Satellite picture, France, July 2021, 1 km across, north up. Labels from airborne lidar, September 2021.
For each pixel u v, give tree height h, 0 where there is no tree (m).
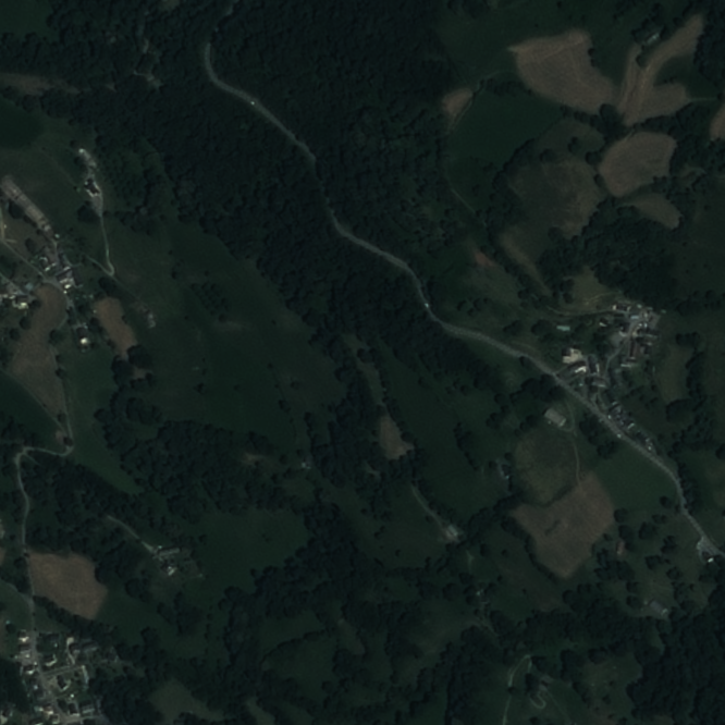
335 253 14
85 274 0
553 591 0
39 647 7
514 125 0
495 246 14
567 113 12
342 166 18
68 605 0
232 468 18
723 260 0
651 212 0
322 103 10
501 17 0
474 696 13
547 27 0
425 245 21
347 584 22
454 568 18
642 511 0
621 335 0
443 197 23
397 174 26
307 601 25
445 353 16
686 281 0
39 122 0
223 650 0
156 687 16
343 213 8
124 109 19
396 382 0
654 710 20
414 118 15
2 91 8
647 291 18
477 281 0
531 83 0
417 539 0
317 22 18
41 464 10
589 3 0
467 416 0
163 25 14
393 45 17
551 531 0
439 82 14
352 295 23
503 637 9
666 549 12
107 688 15
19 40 14
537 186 0
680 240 24
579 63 0
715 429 23
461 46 0
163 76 9
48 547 25
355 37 24
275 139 15
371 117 23
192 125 16
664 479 0
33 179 0
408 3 17
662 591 0
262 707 16
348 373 25
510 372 0
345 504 0
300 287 18
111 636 16
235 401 0
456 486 0
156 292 0
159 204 19
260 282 0
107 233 0
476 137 0
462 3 18
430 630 0
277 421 0
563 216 0
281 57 14
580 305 0
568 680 20
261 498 19
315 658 0
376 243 15
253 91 8
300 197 22
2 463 13
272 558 0
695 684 19
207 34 21
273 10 15
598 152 10
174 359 0
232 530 0
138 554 18
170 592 0
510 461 12
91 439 0
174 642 0
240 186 17
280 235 20
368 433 18
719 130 0
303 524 0
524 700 0
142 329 0
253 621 23
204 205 26
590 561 0
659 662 11
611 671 0
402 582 0
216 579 0
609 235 13
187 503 24
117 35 14
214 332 0
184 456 21
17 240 0
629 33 0
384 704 7
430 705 16
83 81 9
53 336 14
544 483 0
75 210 0
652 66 0
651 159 0
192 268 0
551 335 9
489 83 8
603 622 15
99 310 0
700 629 28
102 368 0
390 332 20
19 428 22
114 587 0
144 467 23
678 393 0
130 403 11
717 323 0
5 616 0
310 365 0
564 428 0
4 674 12
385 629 11
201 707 0
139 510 24
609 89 0
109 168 10
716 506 0
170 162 20
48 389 0
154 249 0
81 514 19
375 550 0
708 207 10
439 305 22
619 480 0
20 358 0
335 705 19
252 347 0
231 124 16
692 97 0
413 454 14
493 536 0
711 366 0
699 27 0
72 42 19
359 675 21
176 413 0
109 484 10
